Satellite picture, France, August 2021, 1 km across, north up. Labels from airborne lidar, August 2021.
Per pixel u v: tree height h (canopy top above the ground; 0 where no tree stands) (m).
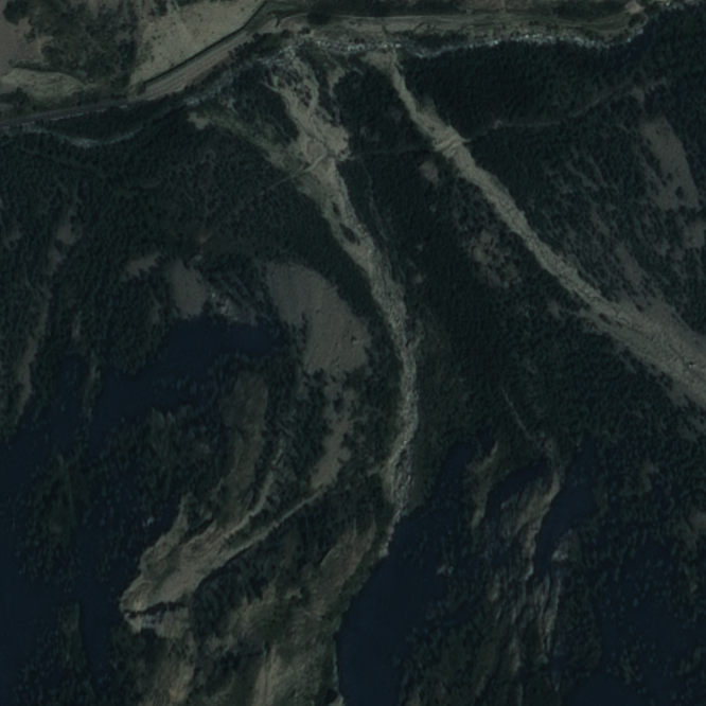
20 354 11
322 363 0
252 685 0
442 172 6
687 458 12
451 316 7
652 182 7
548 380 6
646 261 6
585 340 11
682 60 22
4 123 0
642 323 0
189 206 8
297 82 11
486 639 11
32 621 7
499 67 17
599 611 6
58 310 18
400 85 0
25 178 22
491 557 0
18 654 7
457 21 0
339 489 8
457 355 9
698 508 10
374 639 8
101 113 8
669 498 22
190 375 6
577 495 0
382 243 6
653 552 18
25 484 6
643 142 8
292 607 7
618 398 17
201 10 0
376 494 12
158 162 14
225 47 0
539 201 8
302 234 7
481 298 12
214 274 18
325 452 22
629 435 9
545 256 0
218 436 8
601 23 0
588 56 16
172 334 6
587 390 11
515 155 14
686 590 9
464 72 11
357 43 9
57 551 10
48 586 19
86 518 12
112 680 14
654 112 22
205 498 13
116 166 19
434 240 14
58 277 9
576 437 12
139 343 14
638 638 8
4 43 0
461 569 10
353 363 0
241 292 19
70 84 0
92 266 13
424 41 10
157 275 18
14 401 14
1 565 7
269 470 14
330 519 7
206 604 14
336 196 0
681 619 11
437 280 6
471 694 0
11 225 18
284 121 10
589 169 9
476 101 11
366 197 6
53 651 13
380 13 7
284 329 13
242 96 11
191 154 13
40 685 11
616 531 10
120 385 14
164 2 7
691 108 24
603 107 11
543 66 7
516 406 8
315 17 6
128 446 10
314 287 0
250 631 0
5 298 15
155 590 0
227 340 11
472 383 7
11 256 15
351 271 6
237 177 11
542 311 8
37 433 15
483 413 8
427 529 9
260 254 8
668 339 0
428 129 0
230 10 0
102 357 10
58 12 5
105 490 11
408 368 0
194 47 0
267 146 0
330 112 10
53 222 9
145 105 8
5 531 6
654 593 9
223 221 9
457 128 16
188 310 0
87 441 11
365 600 7
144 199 7
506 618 0
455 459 10
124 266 14
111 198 26
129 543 16
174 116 14
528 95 14
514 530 0
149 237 9
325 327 0
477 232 14
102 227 25
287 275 0
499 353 10
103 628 7
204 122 0
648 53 20
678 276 8
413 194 10
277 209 12
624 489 14
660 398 12
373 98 9
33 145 14
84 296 16
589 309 9
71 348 7
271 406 17
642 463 12
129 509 8
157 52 0
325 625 0
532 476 13
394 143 12
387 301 0
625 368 13
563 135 9
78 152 13
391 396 6
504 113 13
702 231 0
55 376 7
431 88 17
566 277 0
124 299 22
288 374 25
